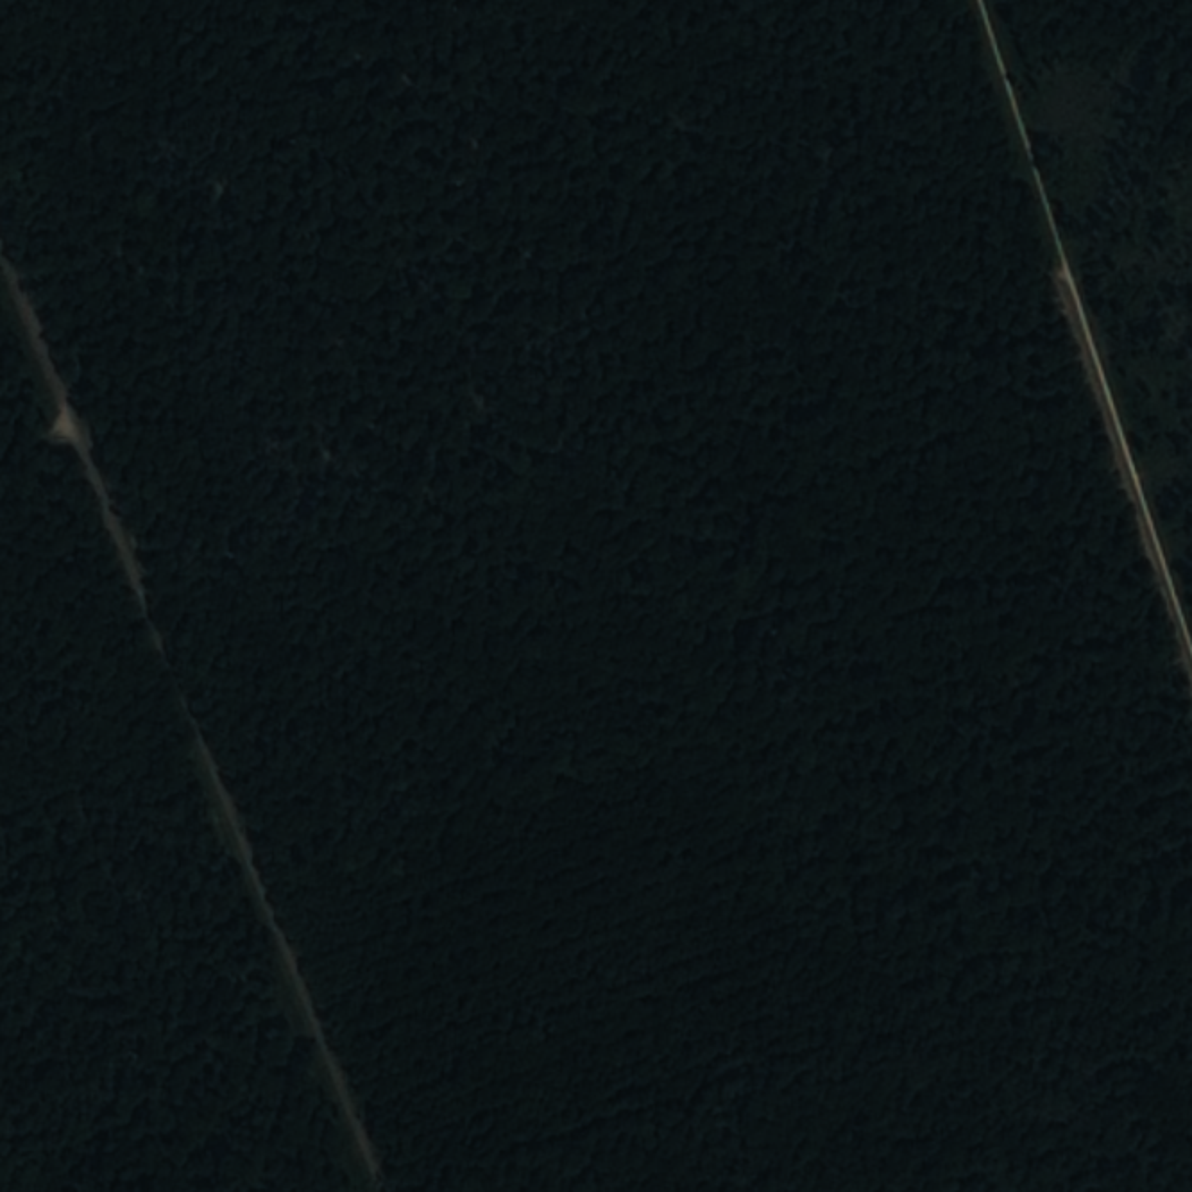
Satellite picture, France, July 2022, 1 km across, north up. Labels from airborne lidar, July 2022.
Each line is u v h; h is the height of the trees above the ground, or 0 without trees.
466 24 13
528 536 26
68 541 15
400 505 26
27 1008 28
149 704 23
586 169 18
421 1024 18
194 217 27
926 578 24
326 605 27
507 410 23
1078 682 23
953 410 30
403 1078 22
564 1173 21
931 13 27
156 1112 27
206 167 24
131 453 25
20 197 18
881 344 29
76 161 20
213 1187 28
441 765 26
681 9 27
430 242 28
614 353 23
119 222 21
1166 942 29
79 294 21
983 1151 20
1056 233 0
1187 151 30
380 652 28
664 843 14
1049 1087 26
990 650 27
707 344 17
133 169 23
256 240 25
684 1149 25
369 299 25
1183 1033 23
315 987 15
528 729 23
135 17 19
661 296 25
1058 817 25
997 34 0
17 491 30
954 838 24
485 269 26
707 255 23
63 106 26
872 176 28
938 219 25
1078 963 13
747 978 18
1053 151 25
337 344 27
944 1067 17
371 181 24
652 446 24
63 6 22
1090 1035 23
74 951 25
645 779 19
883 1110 25
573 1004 18
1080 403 20
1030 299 31
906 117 27
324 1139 30
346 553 25
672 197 27
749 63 24
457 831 24
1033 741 11
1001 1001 23
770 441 29
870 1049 21
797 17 18
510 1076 17
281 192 25
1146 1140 15
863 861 28
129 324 25
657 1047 19
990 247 29
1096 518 26
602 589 25
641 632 25
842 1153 23
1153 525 0
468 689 22
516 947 20
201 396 25
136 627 23
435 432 23
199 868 25
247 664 20
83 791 23
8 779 22
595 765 23
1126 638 25
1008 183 27
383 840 19
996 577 28
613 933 17
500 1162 21
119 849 21
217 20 21
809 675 24
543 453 26
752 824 11
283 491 25
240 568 24
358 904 16
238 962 27
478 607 27
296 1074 32
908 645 27
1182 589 0
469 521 25
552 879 22
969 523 30
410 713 25
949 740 26
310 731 21
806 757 26
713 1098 14
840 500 27
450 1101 18
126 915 27
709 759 16
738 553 30
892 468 19
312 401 29
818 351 26
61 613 29
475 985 20
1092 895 27
